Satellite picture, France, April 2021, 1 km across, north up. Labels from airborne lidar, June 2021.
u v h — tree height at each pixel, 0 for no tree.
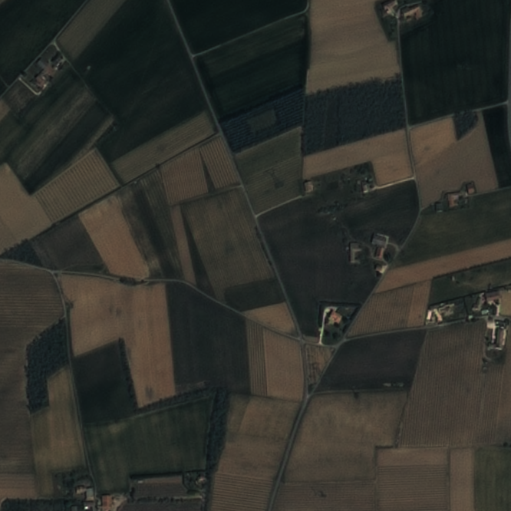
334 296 0
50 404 0
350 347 0
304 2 0
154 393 0
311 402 0
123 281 12
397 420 0
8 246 0
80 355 0
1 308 0
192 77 0
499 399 0
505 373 0
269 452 0
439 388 0
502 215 0
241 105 0
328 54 0
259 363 0
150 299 0
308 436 0
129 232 0
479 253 0
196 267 0
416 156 0
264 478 0
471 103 0
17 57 0
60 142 0
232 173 0
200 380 0
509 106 0
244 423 0
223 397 11
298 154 0
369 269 0
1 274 0
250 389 0
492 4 0
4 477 0
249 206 0
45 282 0
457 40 0
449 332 0
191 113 0
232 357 0
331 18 0
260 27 0
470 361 0
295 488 0
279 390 0
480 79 0
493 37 0
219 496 0
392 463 0
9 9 0
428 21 0
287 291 0
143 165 0
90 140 0
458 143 0
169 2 0
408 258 0
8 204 0
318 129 8
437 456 0
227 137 12
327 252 0
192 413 0
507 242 0
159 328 0
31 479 0
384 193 0
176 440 0
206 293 0
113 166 0
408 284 0
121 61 0
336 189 0
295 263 0
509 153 0
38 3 0
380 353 0
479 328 0
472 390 0
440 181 0
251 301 0
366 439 0
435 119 0
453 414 0
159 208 0
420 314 0
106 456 0
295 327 0
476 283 0
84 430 0
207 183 0
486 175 0
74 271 0
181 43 0
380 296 0
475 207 0
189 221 0
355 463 0
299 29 0
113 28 0
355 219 0
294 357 0
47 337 10
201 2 0
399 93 9
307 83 0
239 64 0
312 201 0
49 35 0
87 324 0
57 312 0
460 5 0
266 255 0
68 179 0
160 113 0
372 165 0
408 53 0
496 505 0
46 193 0
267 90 0
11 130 0
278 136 7
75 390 0
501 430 0
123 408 0
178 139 0
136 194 0
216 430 9
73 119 0
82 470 0
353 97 9
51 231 0
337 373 0
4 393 0
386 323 0
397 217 0
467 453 0
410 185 0
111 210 0
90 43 0
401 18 7
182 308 0
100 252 0
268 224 0
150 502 9
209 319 0
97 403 0
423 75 0
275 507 0
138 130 0
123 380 0
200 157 0
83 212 0
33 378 8
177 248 0
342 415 0
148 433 0
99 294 0
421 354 0
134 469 0
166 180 0
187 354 0
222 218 0
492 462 0
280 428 0
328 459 0
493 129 0
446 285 0
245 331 0
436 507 0
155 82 0
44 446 0
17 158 0
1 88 0
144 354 0
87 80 0
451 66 0
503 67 0
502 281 0
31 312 0
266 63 0
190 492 6
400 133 0
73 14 0
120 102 0
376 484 0
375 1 0
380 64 0
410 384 0
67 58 0
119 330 0
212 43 0
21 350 0
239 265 0
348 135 9
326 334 12
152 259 0
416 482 0
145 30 0
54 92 0
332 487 0
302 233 0
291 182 0
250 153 0
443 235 0
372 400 0
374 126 9
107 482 0
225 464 0
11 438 0
